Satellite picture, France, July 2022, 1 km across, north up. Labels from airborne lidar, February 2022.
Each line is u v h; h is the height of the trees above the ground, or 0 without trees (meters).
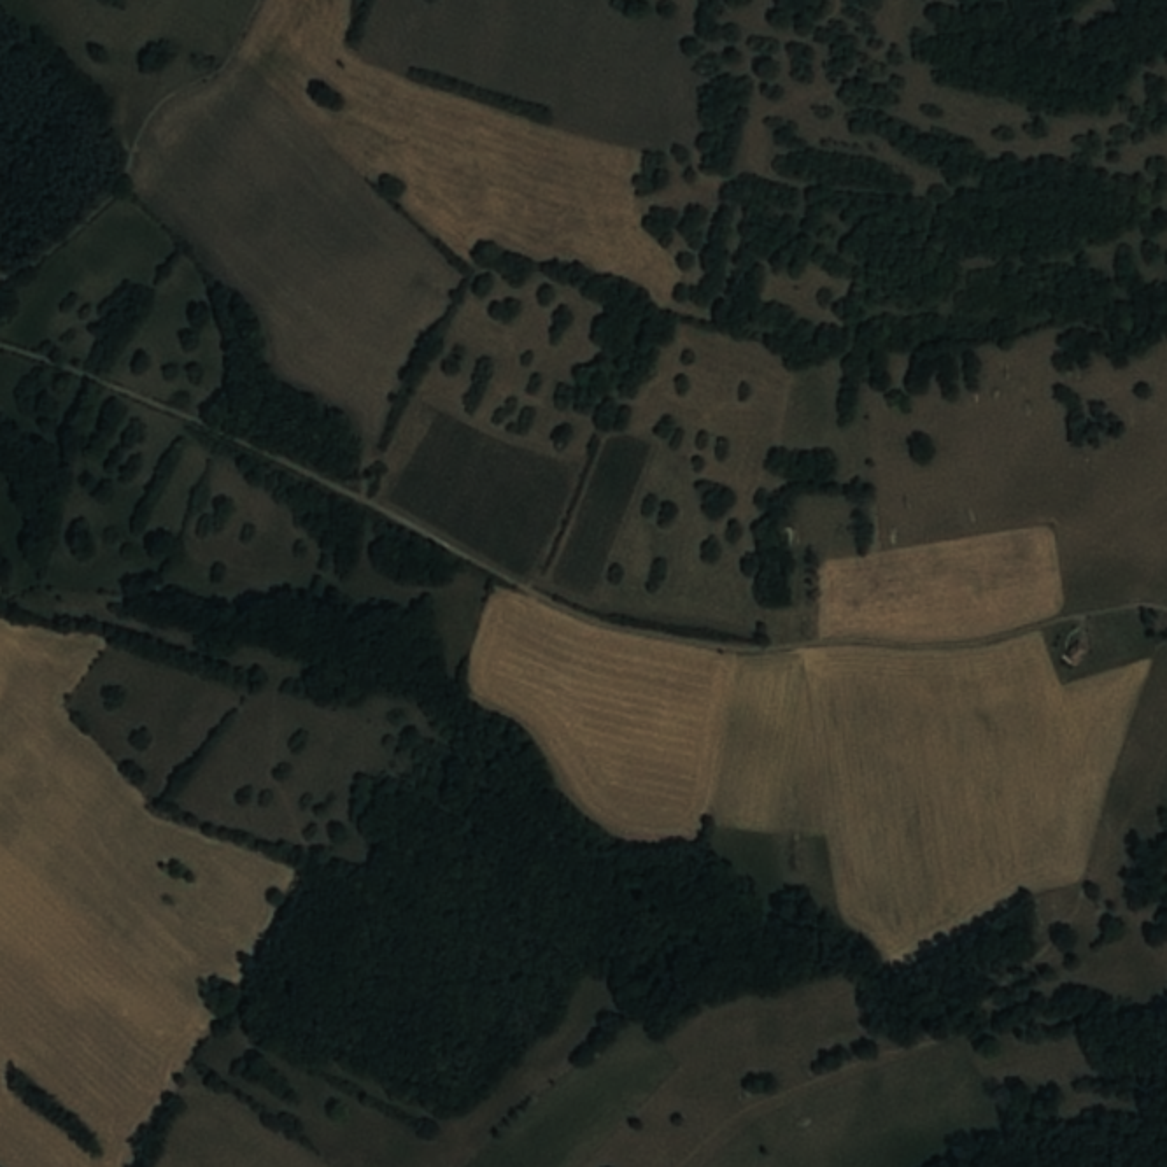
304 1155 0
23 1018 0
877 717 0
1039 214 13
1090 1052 14
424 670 18
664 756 0
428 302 0
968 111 0
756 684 0
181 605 22
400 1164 0
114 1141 0
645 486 0
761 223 12
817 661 0
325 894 16
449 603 0
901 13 0
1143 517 0
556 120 0
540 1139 0
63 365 13
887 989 26
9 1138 0
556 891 16
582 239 0
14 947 0
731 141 12
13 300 15
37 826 0
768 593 14
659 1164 0
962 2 11
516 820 17
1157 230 9
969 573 0
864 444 0
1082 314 9
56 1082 0
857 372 12
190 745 0
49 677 0
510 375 0
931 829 0
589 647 0
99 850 0
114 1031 0
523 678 0
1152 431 0
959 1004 22
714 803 0
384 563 11
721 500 11
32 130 23
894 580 0
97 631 17
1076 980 0
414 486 0
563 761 0
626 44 0
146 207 7
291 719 0
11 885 0
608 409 13
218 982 10
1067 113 15
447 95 0
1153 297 11
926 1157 0
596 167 0
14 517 0
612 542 0
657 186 10
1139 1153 21
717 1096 0
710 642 0
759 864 0
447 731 15
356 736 0
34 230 23
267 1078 7
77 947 0
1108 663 0
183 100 0
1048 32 6
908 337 10
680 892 21
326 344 0
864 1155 0
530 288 0
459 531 0
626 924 19
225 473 0
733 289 13
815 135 0
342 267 0
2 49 22
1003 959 18
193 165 0
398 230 0
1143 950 0
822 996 0
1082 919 0
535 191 0
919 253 6
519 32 0
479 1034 13
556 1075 0
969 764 0
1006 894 0
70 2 0
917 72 0
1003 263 6
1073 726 0
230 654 7
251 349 15
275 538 0
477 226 0
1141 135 7
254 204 0
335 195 0
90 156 20
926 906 0
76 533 12
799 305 0
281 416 17
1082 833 0
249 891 0
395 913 17
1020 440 0
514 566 0
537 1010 15
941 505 0
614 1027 18
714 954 20
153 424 0
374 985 14
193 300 0
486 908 14
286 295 0
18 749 0
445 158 0
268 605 23
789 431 0
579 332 0
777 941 26
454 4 0
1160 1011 17
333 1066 12
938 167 11
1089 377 0
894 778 0
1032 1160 23
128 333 10
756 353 0
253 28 0
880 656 0
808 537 0
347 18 0
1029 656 0
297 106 0
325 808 8
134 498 0
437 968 16
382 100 0
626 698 0
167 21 0
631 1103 0
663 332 11
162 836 0
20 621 18
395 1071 18
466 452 0
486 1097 15
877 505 0
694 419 0
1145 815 0
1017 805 0
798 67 5
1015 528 0
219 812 0
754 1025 0
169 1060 0
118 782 0
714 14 11
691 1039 0
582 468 0
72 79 15
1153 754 0
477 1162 0
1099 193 16
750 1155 0
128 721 0
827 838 0
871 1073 0
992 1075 0
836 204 10
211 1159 0
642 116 0
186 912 0
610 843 9
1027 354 0
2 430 20
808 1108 0
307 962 18
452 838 14
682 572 0
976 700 0
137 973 0
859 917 0
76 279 0
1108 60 14
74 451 16
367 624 24
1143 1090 14
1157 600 0
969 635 0
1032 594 0
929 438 8
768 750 0
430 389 0
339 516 12
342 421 18
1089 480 0
